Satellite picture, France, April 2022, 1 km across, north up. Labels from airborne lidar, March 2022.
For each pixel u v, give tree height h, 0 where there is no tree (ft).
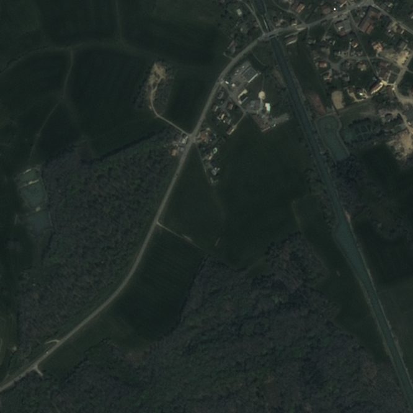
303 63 0
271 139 0
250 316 32
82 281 104
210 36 0
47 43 0
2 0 0
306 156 0
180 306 0
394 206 0
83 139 0
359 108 0
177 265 0
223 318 88
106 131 0
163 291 0
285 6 0
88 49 0
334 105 0
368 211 58
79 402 88
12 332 0
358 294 0
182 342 56
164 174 79
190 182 0
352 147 51
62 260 85
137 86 0
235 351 89
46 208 0
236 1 43
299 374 94
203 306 81
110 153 0
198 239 0
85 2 0
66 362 0
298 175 0
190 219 0
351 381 84
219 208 0
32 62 0
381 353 0
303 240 66
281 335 95
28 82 0
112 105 0
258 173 0
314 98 0
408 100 0
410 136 0
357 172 99
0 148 0
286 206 0
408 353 0
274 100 0
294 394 104
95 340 0
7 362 0
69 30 0
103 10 0
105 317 0
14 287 0
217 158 0
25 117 0
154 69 0
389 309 0
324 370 76
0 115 0
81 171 94
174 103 0
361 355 73
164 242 0
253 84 0
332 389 75
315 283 47
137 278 0
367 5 0
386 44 0
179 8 0
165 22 0
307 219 0
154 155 71
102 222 94
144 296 0
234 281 67
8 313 0
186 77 0
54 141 0
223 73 0
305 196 0
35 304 97
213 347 88
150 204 84
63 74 0
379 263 0
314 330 61
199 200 0
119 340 0
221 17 0
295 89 0
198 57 0
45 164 0
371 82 0
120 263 69
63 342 0
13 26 0
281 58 0
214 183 0
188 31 0
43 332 98
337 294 0
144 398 94
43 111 0
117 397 96
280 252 76
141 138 0
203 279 63
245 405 73
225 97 0
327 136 0
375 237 0
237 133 0
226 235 0
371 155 0
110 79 0
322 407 90
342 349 95
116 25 0
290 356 73
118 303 0
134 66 0
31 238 0
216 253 0
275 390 0
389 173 0
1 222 0
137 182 74
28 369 0
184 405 60
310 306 89
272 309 107
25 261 0
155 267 0
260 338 110
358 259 0
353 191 79
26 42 0
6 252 0
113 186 92
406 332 0
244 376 93
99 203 75
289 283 94
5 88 0
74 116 0
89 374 94
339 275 0
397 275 0
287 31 0
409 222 0
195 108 0
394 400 82
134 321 0
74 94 0
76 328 0
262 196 0
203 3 0
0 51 0
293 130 0
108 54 0
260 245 0
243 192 0
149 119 0
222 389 83
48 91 0
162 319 0
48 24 0
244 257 0
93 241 81
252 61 0
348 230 0
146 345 0
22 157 0
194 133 0
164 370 87
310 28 0
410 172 0
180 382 86
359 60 0
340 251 0
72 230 90
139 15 0
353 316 0
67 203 83
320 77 0
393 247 0
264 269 0
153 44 0
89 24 0
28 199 0
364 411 64
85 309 75
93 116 0
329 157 35
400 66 0
